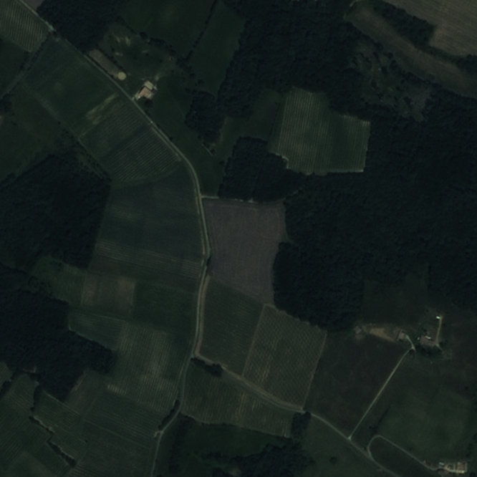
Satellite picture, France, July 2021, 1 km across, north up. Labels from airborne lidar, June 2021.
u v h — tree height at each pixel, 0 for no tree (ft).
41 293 33
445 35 0
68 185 53
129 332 0
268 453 69
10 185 38
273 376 0
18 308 74
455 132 79
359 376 0
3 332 75
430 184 70
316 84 57
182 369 0
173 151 0
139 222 0
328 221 69
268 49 72
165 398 0
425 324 0
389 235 92
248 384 0
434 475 0
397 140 77
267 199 36
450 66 0
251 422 0
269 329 0
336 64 88
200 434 0
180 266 0
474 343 0
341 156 0
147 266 0
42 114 0
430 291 32
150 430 0
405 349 0
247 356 0
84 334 0
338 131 0
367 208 74
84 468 0
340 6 76
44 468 0
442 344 23
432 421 0
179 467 28
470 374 0
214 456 63
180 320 0
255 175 50
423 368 0
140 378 0
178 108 0
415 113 0
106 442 0
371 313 0
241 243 0
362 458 0
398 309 0
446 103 80
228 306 0
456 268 72
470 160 52
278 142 0
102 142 0
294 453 46
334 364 0
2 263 51
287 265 52
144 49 0
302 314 51
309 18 84
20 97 0
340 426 0
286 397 0
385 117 95
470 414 0
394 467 0
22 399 0
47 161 53
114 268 0
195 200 0
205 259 0
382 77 0
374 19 0
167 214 0
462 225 79
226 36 0
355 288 68
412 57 0
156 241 0
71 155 22
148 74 0
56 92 0
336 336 0
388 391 0
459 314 0
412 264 59
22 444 0
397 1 0
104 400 0
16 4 0
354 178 43
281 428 0
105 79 0
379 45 56
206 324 0
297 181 54
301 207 44
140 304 0
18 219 64
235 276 0
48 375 68
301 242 69
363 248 80
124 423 0
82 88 0
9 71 0
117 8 75
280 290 58
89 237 64
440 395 0
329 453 0
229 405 0
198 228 0
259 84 70
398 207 70
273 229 0
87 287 0
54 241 64
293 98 0
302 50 65
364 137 0
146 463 0
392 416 0
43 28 0
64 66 0
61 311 74
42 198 82
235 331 0
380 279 60
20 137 0
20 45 0
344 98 57
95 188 44
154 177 0
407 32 44
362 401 0
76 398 0
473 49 0
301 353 0
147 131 0
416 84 111
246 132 0
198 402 0
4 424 0
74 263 44
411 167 75
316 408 0
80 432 0
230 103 71
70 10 62
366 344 0
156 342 0
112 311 0
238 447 0
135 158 0
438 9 0
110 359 76
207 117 51
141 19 0
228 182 34
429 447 0
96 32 61
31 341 44
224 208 0
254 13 58
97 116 0
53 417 0
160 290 0
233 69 51
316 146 0
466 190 64
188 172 0
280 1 87
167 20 0
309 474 0
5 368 0
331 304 52
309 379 0
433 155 60
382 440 0
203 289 0
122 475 0
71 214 46
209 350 0
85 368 60
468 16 0
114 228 0
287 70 64
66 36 47
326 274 74
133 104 0
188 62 33
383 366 0
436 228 97
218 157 0
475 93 0
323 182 32
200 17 0
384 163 52
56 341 69
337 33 89
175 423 0
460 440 0
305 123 0
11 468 0
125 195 0
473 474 36
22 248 79
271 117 0
